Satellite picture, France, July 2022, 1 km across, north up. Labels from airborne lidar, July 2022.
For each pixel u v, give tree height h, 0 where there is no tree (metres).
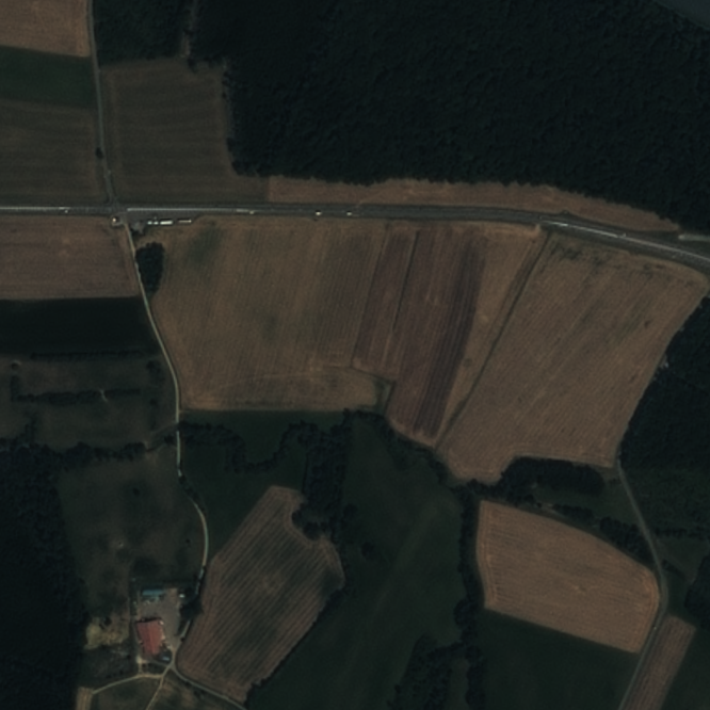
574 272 0
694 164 27
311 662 0
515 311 0
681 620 0
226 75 0
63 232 0
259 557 0
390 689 0
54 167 0
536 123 26
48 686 24
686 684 0
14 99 0
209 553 0
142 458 0
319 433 15
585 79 24
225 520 0
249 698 11
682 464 22
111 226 0
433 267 0
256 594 0
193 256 0
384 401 0
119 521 0
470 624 18
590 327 0
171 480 0
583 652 0
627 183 25
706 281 0
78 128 0
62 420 0
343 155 24
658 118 25
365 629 0
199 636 0
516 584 0
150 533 0
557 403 0
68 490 0
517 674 0
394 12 23
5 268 0
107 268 0
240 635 0
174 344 0
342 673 0
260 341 0
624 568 0
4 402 0
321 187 0
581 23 21
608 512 0
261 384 0
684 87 29
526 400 0
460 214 0
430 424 0
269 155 17
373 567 0
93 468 0
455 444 0
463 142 20
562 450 0
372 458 0
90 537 0
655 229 0
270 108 10
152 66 0
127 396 6
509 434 0
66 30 0
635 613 0
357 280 0
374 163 23
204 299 0
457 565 0
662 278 0
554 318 0
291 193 0
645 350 0
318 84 19
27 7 0
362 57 25
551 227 0
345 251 0
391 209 0
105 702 0
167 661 0
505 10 17
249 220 0
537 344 0
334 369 0
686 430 24
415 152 24
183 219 0
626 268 0
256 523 0
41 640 11
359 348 0
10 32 0
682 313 0
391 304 0
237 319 0
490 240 0
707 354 22
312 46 8
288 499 0
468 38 22
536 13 18
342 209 0
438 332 0
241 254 0
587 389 0
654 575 0
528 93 26
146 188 0
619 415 0
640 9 23
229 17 10
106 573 0
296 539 0
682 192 25
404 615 0
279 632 0
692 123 26
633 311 0
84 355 7
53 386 0
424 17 22
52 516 26
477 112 22
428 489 0
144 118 0
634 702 0
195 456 0
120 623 0
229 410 0
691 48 18
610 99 29
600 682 0
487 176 18
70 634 11
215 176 0
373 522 0
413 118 21
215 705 0
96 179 0
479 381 0
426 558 0
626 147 26
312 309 0
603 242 0
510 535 0
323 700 0
